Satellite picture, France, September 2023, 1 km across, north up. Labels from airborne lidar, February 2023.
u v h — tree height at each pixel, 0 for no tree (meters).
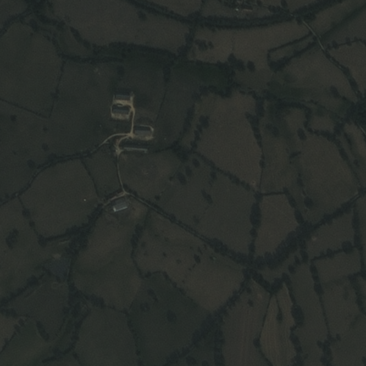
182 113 0
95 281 0
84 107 0
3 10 0
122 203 0
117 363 0
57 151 0
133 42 0
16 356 0
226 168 0
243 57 0
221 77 0
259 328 0
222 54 0
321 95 0
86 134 0
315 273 12
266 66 0
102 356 0
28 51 0
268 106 0
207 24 16
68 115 0
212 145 0
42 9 0
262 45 0
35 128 0
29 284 17
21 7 0
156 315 0
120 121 0
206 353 0
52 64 0
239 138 0
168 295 0
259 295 0
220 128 0
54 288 0
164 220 0
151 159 0
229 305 15
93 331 0
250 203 0
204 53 0
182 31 0
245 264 18
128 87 0
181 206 0
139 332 0
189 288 0
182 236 0
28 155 0
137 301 0
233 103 0
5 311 11
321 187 0
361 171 0
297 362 17
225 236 0
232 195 0
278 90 0
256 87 0
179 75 0
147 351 0
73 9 0
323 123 0
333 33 0
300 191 0
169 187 0
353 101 0
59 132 0
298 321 16
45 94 0
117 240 0
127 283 0
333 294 0
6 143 0
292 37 0
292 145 0
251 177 0
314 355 0
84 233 17
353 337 0
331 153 0
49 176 0
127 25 0
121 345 0
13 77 0
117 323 0
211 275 0
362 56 0
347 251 16
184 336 0
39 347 0
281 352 0
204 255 0
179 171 0
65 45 0
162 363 0
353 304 0
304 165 0
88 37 0
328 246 0
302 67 0
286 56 0
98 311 0
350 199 0
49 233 0
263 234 0
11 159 0
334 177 0
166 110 0
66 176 0
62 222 0
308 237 12
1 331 0
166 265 0
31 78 0
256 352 0
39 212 0
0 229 0
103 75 0
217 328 10
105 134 0
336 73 0
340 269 0
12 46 0
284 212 0
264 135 0
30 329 0
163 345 0
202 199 0
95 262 0
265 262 18
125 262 0
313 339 0
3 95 0
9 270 0
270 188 0
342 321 0
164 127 0
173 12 8
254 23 8
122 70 13
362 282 0
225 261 0
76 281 0
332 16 0
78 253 16
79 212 0
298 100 0
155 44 0
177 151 9
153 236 0
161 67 0
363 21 0
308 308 0
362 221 0
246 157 0
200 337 21
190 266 0
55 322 0
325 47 0
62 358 16
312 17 12
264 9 0
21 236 0
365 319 0
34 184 0
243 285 11
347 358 0
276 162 0
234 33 0
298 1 0
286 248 21
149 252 0
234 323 0
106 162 0
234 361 0
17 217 0
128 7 0
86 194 0
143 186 0
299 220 19
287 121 0
